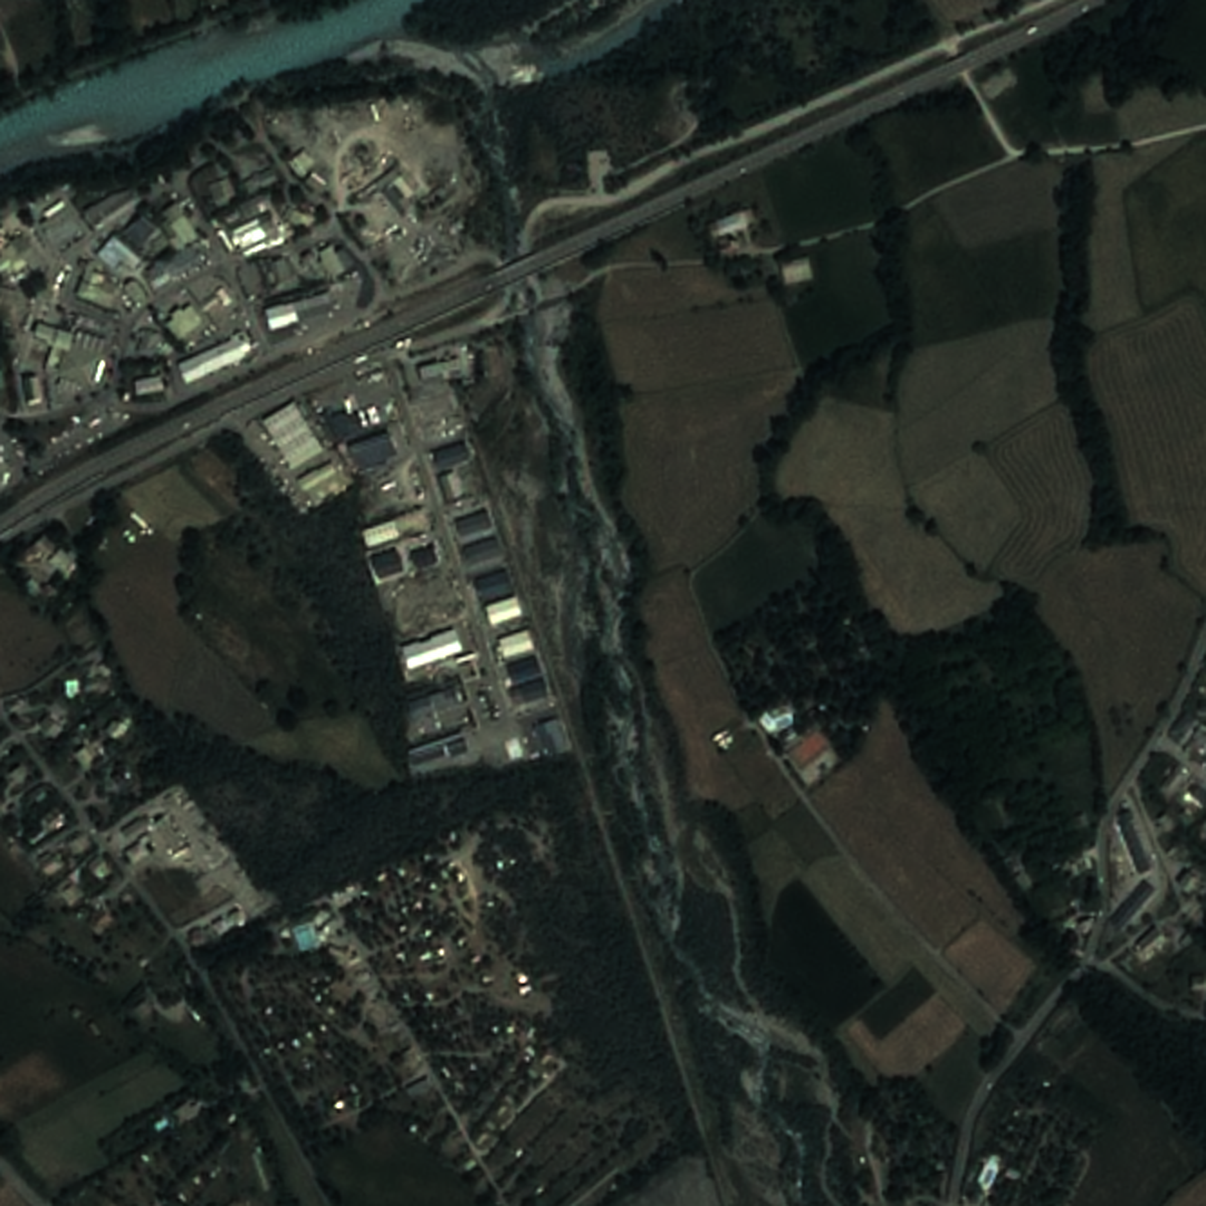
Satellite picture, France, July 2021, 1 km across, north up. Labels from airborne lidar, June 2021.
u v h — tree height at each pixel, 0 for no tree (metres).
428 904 8
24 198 15
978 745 21
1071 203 21
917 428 0
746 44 22
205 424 0
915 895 0
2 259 0
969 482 0
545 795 8
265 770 10
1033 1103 5
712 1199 0
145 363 12
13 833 6
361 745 0
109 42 20
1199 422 0
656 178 0
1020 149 0
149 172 12
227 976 7
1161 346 0
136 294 0
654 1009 8
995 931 0
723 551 0
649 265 0
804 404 19
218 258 0
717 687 0
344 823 8
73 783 0
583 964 7
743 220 0
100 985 6
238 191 8
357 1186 0
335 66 11
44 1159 0
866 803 0
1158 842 0
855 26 19
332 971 10
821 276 0
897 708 9
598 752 8
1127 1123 0
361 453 0
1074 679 12
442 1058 7
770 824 0
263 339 0
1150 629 0
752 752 0
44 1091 0
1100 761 6
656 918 8
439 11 12
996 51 0
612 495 9
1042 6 0
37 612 9
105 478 0
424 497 0
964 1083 0
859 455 0
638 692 7
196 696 0
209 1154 9
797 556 0
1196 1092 6
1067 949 10
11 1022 0
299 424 0
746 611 0
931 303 0
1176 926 0
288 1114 11
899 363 8
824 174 0
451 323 0
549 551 0
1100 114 0
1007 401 0
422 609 0
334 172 0
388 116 0
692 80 16
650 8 0
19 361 0
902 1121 7
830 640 11
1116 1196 0
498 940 6
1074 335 16
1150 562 0
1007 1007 0
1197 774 0
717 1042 6
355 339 0
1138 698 0
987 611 0
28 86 9
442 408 0
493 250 0
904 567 0
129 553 0
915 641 13
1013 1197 6
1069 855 11
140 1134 6
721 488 0
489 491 0
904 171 0
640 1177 16
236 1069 9
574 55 0
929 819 0
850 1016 0
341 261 0
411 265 0
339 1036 8
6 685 0
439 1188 0
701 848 0
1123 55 18
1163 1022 7
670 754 5
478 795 9
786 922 0
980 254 0
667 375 0
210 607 0
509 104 6
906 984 0
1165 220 0
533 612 0
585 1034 9
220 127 14
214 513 0
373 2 0
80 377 0
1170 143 0
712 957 6
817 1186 6
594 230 0
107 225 0
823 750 0
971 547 0
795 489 0
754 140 0
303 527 6
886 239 7
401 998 6
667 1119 6
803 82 18
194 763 8
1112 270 0
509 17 9
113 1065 0
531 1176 8
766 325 0
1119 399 0
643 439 0
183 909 0
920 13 20
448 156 0
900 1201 11
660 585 0
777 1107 8
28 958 0
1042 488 0
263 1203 0
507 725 0
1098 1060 0
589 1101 6
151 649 0
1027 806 9
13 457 0
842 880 0
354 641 9
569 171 8
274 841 7
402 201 0
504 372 0
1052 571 0
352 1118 0
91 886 6
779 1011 5
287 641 0
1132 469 0
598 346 9
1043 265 0
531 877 7
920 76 0
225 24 12
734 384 0
